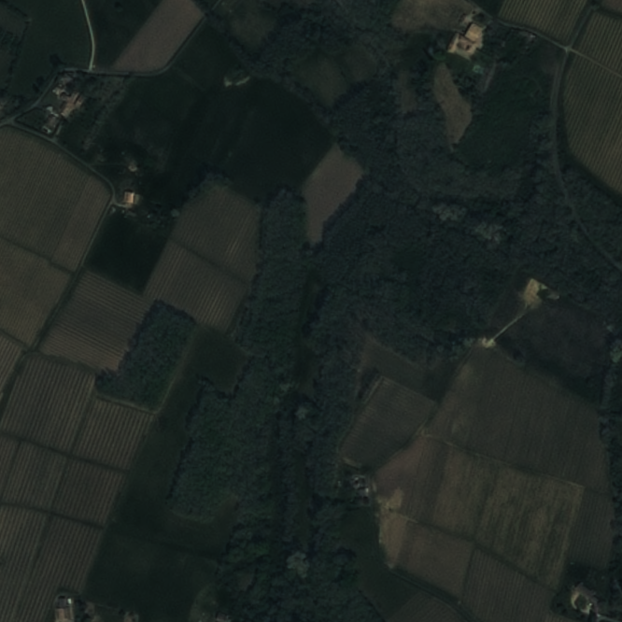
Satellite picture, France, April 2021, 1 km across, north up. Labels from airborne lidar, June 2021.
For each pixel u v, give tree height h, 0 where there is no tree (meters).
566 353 0
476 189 18
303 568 38
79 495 0
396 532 0
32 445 0
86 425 0
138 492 0
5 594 0
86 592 0
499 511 0
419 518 0
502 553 0
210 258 0
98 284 0
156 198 0
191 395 0
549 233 17
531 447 0
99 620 0
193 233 0
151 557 0
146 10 0
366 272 22
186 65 0
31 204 0
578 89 0
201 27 0
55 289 0
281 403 20
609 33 0
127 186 0
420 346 17
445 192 15
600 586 0
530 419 0
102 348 0
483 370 0
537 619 0
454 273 15
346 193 0
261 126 0
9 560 0
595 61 0
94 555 0
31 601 0
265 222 12
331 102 0
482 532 0
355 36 15
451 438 0
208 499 23
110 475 0
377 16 20
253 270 0
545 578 0
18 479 0
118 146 0
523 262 17
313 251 21
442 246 13
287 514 21
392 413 0
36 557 0
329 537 20
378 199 20
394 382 0
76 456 0
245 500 19
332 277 23
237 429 19
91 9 0
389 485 0
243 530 16
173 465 0
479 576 0
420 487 0
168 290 0
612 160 0
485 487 0
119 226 0
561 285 20
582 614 9
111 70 0
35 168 0
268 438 24
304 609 10
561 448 0
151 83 0
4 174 0
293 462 19
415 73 14
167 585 0
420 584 0
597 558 0
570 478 0
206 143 0
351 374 14
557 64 0
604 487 0
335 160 0
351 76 0
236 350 0
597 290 10
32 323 0
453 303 17
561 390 0
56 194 0
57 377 0
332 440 20
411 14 0
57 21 0
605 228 16
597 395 0
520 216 10
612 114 0
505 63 10
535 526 0
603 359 0
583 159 0
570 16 0
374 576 0
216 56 0
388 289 19
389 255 15
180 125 0
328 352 19
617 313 7
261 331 17
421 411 0
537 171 11
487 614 0
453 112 0
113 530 0
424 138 18
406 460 0
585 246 17
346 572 14
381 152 23
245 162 0
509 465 0
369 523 0
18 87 0
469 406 0
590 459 0
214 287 0
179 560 0
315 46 23
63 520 0
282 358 20
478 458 0
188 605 0
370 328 18
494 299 10
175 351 22
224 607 0
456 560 0
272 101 0
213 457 17
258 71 17
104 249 0
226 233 0
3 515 0
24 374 0
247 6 0
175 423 0
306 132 0
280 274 20
